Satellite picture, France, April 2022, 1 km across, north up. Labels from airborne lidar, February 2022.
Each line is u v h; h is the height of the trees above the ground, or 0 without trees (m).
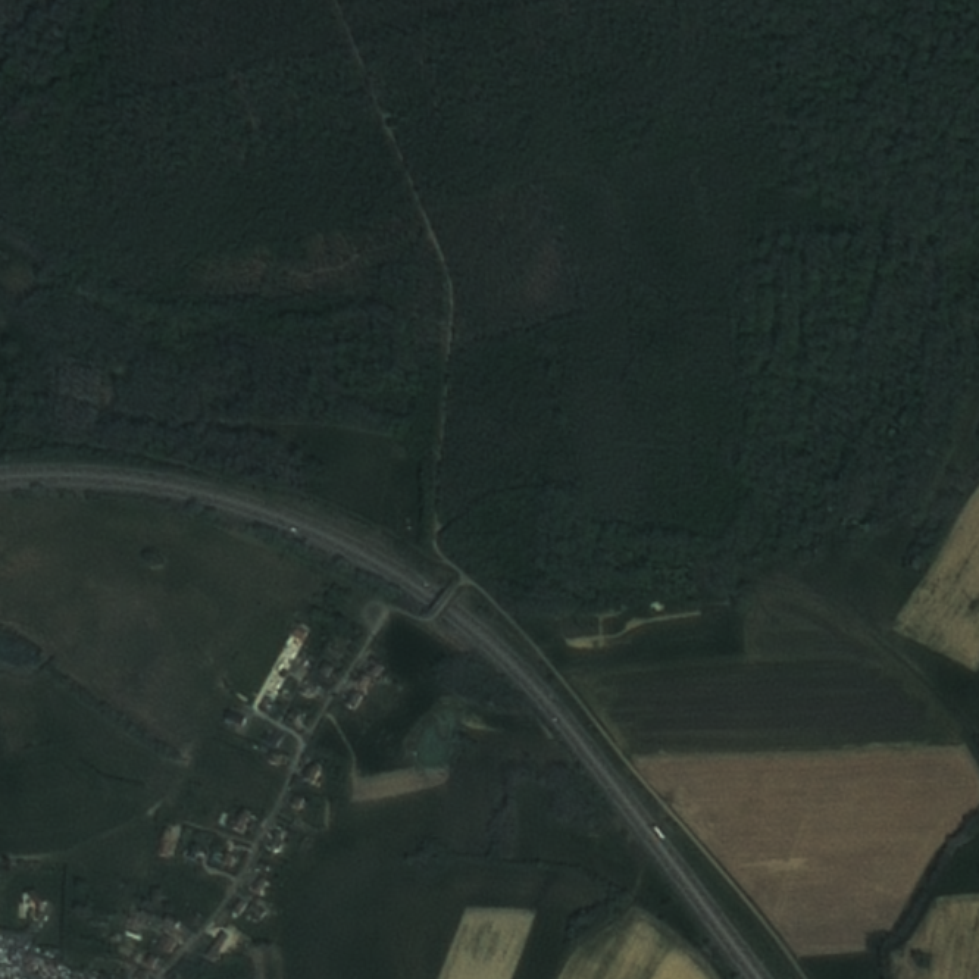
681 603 0
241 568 0
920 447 25
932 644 0
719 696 0
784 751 0
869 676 0
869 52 24
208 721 0
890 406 11
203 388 16
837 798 0
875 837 0
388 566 0
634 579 28
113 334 23
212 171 15
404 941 0
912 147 29
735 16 23
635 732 0
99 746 0
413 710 0
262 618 0
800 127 29
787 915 0
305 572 0
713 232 14
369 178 15
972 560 0
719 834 0
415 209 17
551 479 10
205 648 0
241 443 18
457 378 10
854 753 0
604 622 0
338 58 17
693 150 13
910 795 0
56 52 27
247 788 0
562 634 0
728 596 27
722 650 0
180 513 0
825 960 0
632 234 13
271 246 17
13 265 0
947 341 26
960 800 0
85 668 0
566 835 0
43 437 7
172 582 0
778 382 23
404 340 25
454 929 0
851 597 0
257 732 0
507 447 11
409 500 0
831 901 0
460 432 12
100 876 0
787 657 0
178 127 19
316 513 0
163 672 0
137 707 0
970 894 0
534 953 0
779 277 23
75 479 0
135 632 0
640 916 0
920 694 0
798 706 0
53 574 0
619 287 13
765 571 0
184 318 29
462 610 0
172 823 0
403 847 0
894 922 0
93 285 26
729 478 15
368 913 0
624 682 0
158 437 22
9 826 0
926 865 0
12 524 0
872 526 17
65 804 0
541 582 27
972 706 0
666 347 15
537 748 0
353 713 0
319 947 0
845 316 23
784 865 0
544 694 0
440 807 0
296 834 0
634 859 0
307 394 25
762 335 23
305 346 25
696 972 0
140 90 17
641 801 0
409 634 0
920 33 26
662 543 32
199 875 10
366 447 0
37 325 18
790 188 16
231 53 13
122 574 0
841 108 25
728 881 0
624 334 13
